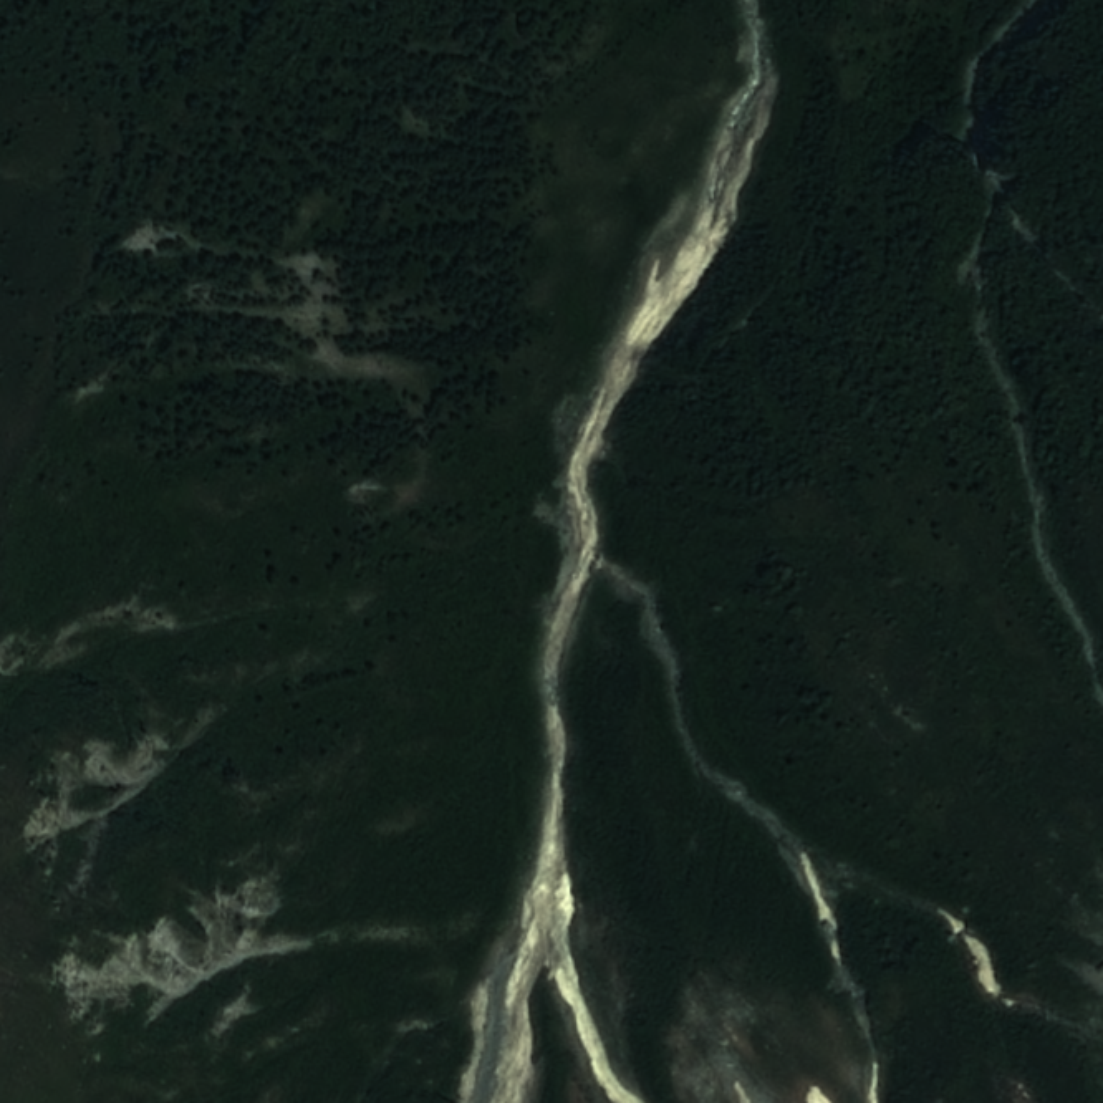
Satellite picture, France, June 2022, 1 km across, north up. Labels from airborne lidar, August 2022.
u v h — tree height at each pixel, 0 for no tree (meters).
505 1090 0
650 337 0
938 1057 0
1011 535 8
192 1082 0
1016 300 7
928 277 7
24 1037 0
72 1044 0
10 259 0
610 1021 0
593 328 0
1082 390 6
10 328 0
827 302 10
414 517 11
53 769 13
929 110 8
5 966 0
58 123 0
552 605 0
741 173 0
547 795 0
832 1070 0
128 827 5
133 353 23
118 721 25
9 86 0
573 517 0
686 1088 0
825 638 0
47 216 0
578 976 0
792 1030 0
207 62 17
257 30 24
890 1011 0
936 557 0
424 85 30
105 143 0
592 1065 0
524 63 24
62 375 11
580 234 0
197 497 0
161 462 18
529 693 0
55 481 6
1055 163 9
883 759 0
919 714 0
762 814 0
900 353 7
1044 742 0
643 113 0
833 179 7
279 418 23
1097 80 9
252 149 13
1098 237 7
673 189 0
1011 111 9
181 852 7
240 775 31
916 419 8
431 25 8
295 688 11
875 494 0
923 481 0
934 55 9
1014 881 0
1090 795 0
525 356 0
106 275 18
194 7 8
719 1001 0
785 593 6
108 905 0
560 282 0
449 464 7
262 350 28
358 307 16
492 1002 0
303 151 16
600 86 0
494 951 0
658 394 9
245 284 22
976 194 6
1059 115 8
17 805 0
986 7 7
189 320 23
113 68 15
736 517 6
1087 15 7
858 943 5
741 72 0
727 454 7
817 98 6
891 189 9
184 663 7
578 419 0
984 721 0
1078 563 0
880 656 0
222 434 26
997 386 8
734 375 6
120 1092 0
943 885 7
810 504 0
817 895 0
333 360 0
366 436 23
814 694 7
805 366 7
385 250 22
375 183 27
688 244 0
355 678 17
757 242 8
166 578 9
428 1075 6
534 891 0
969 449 7
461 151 19
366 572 6
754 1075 0
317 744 5
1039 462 9
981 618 0
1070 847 0
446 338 21
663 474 0
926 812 0
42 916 0
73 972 7
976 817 0
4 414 0
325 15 9
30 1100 0
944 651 6
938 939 5
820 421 6
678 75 0
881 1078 0
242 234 23
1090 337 10
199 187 19
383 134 22
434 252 15
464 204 22
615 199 0
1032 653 0
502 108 19
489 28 21
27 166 0
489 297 18
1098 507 0
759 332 6
